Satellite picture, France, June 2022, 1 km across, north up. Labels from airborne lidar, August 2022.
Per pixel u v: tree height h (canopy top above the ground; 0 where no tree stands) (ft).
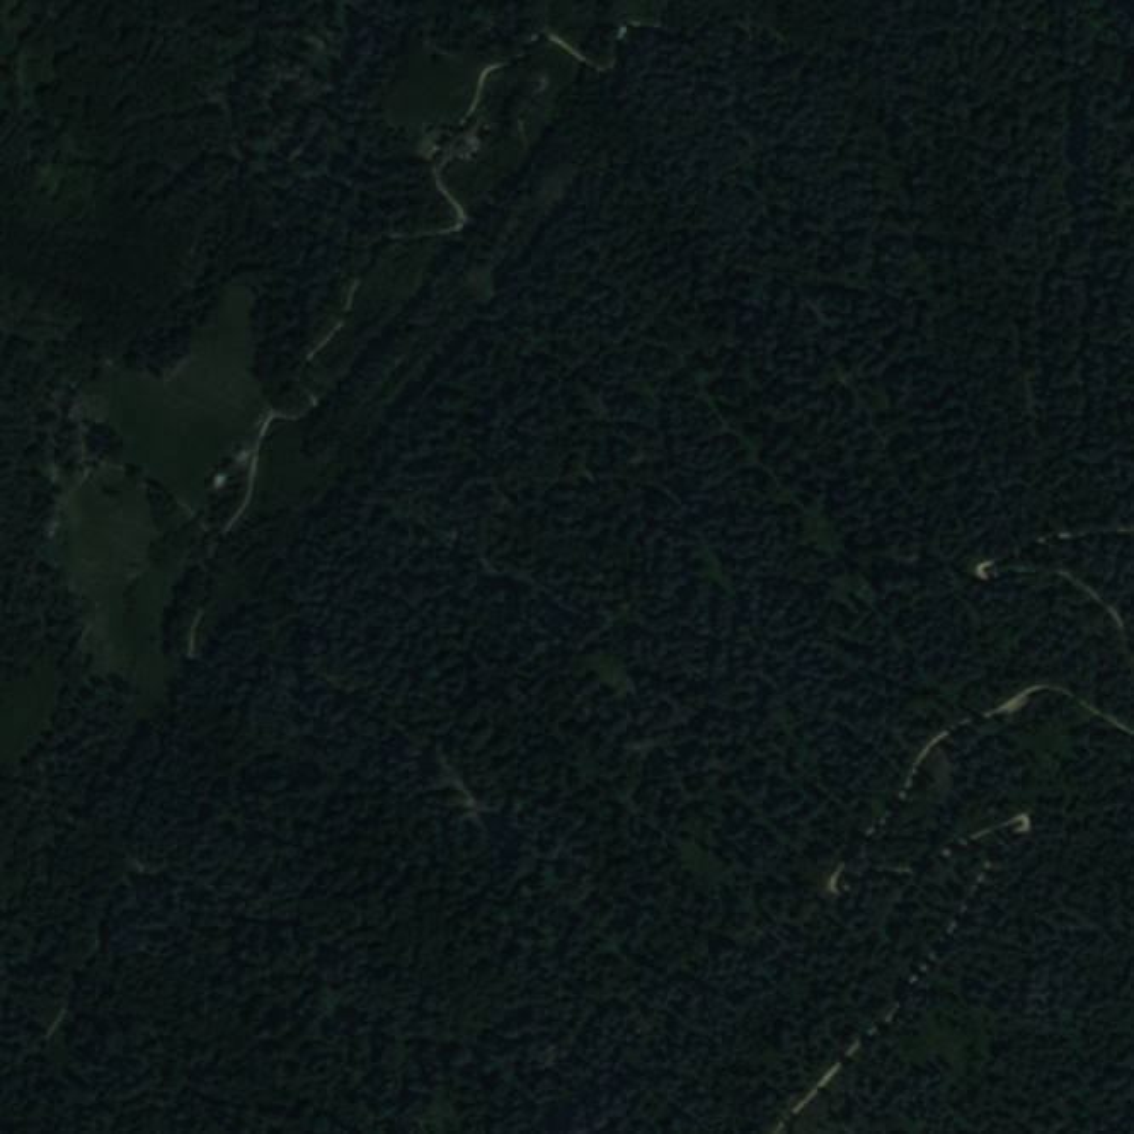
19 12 55
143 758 66
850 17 24
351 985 115
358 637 58
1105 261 89
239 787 22
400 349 89
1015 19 50
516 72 22
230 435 0
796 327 81
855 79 94
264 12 82
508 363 69
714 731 77
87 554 0
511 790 68
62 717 43
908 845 78
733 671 67
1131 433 59
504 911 72
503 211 55
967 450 70
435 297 81
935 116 58
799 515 55
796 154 106
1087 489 53
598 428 98
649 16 19
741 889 23
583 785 48
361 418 26
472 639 33
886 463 69
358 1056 57
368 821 26
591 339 98
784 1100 88
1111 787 42
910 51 74
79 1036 66
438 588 100
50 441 104
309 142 72
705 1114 95
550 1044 83
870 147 27
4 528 69
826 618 62
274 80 69
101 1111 41
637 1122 25
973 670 107
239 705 68
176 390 0
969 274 63
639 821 60
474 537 102
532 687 61
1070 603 96
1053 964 89
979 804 95
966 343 47
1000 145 76
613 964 119
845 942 105
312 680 141
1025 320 20
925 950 29
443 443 105
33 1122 37
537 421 113
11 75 73
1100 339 51
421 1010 91
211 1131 68
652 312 77
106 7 66
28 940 35
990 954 34
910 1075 71
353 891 53
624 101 80
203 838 89
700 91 96
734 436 25
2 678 41
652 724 57
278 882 101
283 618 42
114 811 77
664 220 65
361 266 57
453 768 55
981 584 74
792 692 123
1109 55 106
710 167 91
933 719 28
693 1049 102
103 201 78
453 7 61
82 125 75
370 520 87
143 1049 42
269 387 31
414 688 70
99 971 36
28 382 72
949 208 72
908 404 98
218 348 0
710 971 39
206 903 95
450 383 62
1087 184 43
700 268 67
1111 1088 75
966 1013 30
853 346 59
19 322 32
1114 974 43
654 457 52
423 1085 42
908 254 95
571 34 20
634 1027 44
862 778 48
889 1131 19
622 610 115
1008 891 52
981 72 86
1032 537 47
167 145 70
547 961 85
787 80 84
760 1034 43
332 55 43
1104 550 43
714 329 70
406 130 27
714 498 52
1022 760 41
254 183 66
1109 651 72
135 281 42
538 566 73
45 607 22
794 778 46
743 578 117
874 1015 55
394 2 94
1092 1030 29
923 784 35
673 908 34
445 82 0
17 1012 42
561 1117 50
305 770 23
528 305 69
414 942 92
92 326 56
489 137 53
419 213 74
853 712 65
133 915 67
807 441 93
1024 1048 55
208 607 44
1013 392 79
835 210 92
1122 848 58
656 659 111
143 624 0
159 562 22
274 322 55
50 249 41
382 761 47
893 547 115
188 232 87
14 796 106
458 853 111
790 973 117
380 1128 36
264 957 66
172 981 34
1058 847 42
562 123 63
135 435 0
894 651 25
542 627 48
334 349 20
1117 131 65
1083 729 31
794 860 39
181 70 68
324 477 24
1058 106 45
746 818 29
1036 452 57
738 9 20
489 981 88
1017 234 99
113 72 82
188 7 113
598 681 95
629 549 71
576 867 63
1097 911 24
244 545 39
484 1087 37
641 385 27
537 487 64
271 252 61
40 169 72
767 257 88
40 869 55
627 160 54
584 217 61
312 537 41
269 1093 42
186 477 0
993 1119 67
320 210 85
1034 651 100
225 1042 60
